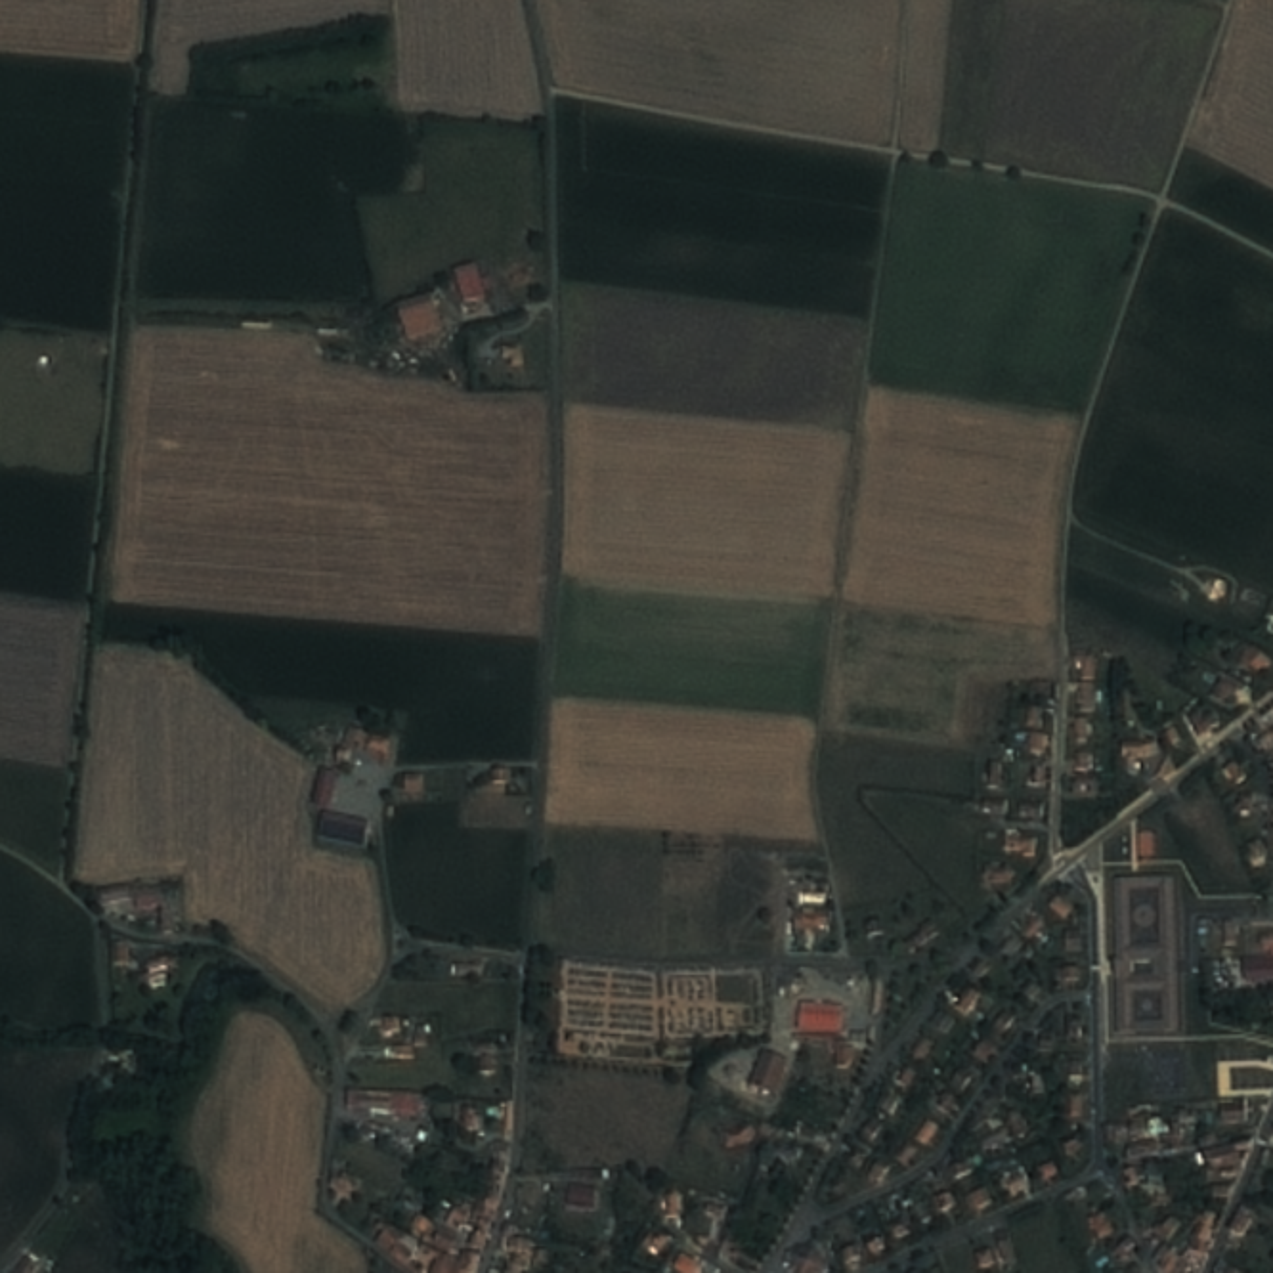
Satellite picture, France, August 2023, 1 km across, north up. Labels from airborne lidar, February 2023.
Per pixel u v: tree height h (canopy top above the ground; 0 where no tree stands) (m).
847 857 0
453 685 0
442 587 0
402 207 0
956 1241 0
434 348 0
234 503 0
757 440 0
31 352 0
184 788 0
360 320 0
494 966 0
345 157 0
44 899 0
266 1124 0
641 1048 0
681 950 0
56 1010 0
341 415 0
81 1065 0
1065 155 0
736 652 0
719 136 0
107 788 0
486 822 0
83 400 0
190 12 0
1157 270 0
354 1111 0
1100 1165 0
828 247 0
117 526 0
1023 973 11
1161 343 0
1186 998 0
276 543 0
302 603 0
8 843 0
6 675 0
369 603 0
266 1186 0
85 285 0
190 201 0
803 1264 0
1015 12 0
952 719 0
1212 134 0
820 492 0
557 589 0
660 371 0
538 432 0
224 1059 0
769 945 0
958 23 0
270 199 0
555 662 0
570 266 0
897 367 0
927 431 0
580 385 0
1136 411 0
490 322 7
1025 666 0
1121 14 0
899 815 0
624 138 0
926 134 0
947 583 0
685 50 0
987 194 0
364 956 0
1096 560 0
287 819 0
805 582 0
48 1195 0
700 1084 10
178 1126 0
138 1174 26
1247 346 0
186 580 0
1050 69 0
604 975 0
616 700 0
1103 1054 0
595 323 0
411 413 0
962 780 0
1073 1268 0
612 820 0
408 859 0
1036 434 0
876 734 0
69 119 0
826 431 0
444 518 0
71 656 0
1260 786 0
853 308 0
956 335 0
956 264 0
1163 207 0
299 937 0
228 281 0
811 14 0
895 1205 0
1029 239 0
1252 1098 0
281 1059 0
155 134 0
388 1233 0
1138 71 0
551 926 0
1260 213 0
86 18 0
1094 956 0
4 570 0
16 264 0
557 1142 0
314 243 0
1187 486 0
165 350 0
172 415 0
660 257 0
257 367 0
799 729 0
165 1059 15
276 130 0
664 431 0
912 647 0
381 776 0
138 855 0
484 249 0
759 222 0
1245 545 0
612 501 0
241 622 0
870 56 0
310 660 0
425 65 0
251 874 0
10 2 0
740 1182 0
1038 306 0
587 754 0
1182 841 0
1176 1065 0
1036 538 0
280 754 0
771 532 0
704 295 0
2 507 0
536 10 0
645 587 0
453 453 0
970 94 0
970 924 0
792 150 0
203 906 0
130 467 0
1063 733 0
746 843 0
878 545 0
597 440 0
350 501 0
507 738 0
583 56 0
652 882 0
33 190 0
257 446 0
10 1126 0
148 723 0
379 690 0
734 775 0
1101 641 0
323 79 0
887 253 0
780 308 0
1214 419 0
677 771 0
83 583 0
